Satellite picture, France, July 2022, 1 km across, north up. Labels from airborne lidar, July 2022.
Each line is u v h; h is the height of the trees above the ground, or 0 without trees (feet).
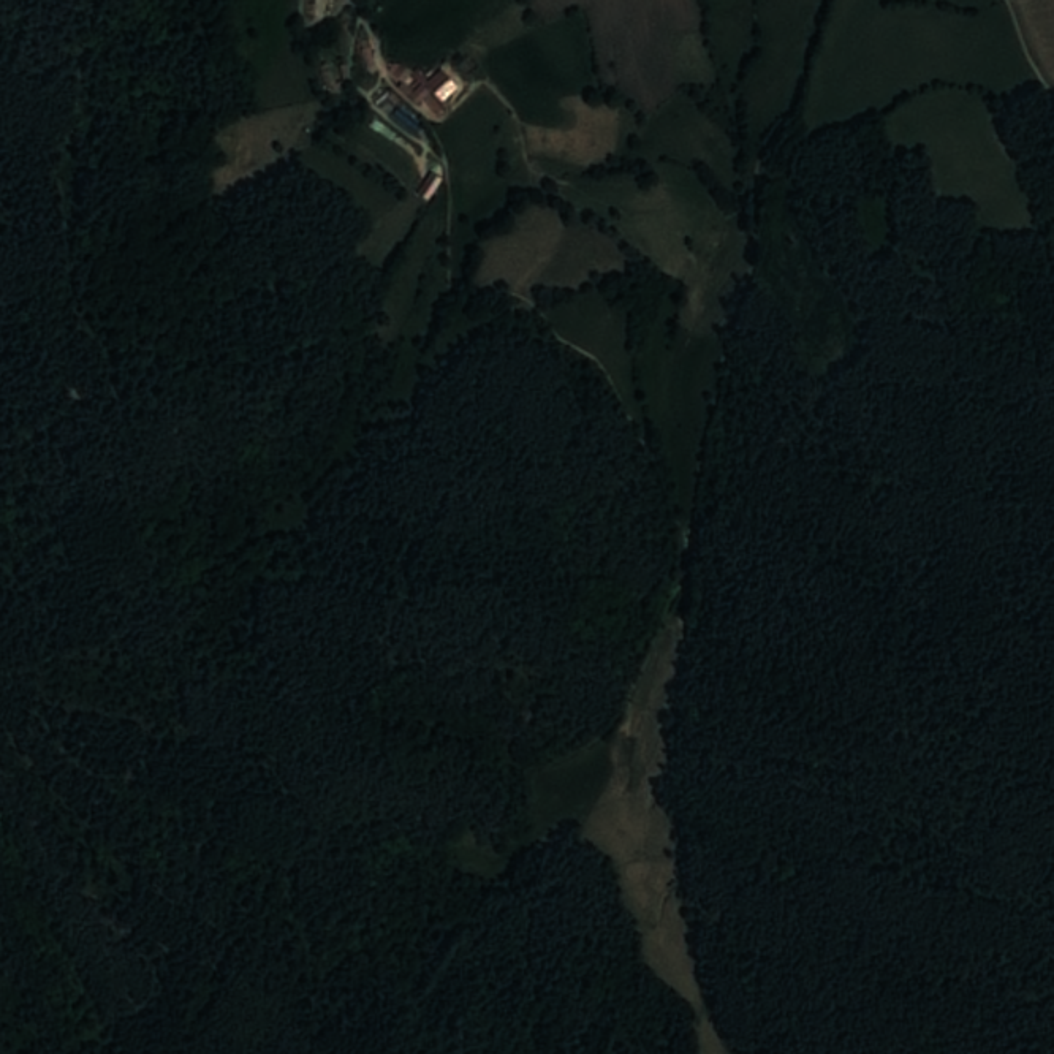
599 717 73
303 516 0
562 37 0
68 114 72
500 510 64
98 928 79
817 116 0
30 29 34
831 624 70
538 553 82
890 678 63
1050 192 56
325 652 70
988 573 70
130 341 59
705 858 70
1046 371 67
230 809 63
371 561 67
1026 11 0
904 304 65
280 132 0
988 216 0
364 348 31
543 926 78
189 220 87
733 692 73
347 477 58
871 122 52
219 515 78
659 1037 58
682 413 0
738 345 72
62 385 64
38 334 59
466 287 46
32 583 36
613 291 46
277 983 80
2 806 62
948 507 53
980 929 55
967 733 61
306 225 79
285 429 87
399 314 0
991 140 0
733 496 59
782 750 61
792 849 54
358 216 73
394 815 47
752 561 62
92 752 53
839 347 0
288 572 57
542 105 0
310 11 0
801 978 69
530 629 64
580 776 0
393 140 0
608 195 0
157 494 78
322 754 57
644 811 0
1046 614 66
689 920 32
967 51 0
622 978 69
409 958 89
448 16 0
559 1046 52
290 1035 65
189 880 77
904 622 66
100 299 68
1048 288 63
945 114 0
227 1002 79
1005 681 72
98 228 72
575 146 0
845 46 0
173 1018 84
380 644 66
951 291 65
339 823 63
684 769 67
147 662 69
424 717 48
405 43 0
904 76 0
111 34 56
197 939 54
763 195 48
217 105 62
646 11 0
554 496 69
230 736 75
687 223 0
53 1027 54
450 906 76
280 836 77
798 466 53
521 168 0
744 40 0
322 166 0
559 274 0
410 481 81
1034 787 68
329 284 76
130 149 81
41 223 74
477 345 54
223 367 77
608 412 81
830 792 52
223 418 66
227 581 59
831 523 54
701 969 32
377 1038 87
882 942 68
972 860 50
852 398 65
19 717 45
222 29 65
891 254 61
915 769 52
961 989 52
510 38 0
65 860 75
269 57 0
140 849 52
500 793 53
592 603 43
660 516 65
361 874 81
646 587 51
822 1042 57
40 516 52
